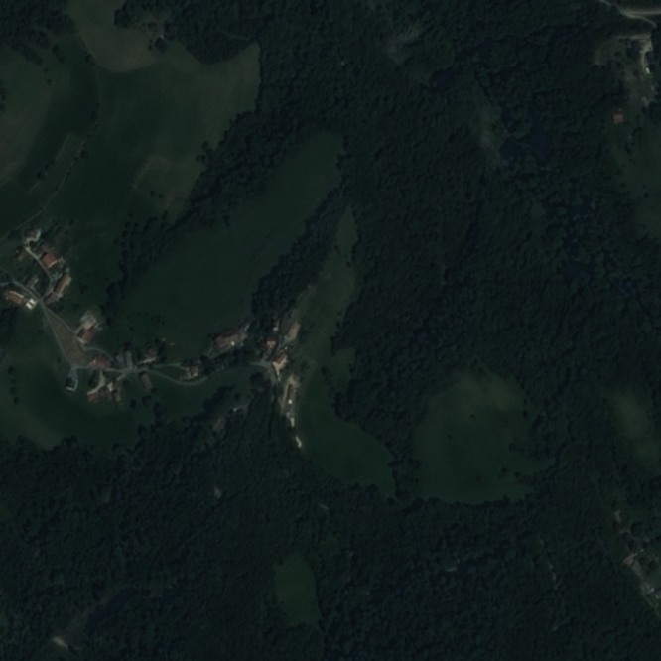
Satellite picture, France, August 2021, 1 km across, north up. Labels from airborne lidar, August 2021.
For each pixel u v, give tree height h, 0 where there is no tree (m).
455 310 22
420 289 31
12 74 0
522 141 6
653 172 0
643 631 26
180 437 23
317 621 0
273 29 19
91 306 0
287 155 21
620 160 0
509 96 24
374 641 35
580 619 23
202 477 19
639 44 0
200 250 0
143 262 26
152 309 0
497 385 0
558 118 14
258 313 17
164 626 25
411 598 30
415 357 31
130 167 0
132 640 28
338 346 15
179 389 0
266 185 20
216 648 30
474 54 22
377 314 27
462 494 0
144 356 11
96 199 0
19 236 6
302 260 7
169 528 17
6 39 21
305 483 24
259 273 0
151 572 14
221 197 28
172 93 0
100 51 0
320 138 0
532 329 23
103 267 0
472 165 26
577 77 17
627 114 0
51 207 0
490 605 30
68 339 0
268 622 29
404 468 25
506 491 0
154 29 14
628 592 24
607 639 33
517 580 25
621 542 8
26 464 11
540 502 12
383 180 24
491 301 19
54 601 28
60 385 0
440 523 25
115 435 0
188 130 0
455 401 0
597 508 23
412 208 21
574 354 28
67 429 0
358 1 26
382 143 27
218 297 0
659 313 34
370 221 21
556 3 21
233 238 0
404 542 26
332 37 17
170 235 26
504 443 0
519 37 21
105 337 0
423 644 24
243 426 8
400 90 21
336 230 9
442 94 15
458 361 15
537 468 0
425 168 18
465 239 11
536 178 28
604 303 35
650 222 0
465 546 16
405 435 26
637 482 19
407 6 14
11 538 21
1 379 0
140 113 0
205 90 0
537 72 25
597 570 21
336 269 0
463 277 6
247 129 28
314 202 0
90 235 0
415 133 13
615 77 6
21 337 0
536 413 0
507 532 29
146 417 0
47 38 20
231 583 23
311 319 0
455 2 22
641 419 0
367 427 25
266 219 0
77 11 0
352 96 20
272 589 16
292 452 23
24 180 0
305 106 18
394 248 26
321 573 12
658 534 14
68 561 30
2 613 11
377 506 19
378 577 30
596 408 21
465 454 0
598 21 28
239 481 18
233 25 12
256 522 19
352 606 28
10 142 0
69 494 13
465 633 30
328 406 0
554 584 11
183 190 0
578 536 27
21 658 12
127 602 22
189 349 0
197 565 24
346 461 0
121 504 21
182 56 0
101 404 0
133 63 0
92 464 8
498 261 20
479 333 15
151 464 15
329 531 16
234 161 9
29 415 0
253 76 0
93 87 0
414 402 24
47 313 0
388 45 29
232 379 0
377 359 30
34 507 11
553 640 29
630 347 20
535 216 7
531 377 24
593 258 36
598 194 23
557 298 30
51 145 0
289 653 25
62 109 0
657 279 30
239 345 0
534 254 21
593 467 15
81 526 33
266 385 12
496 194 27
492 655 24
